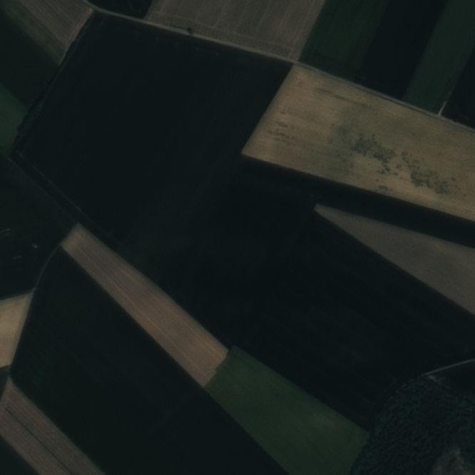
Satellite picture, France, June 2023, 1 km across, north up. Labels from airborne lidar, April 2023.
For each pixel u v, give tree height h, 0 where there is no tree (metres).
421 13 0
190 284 0
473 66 0
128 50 0
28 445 0
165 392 0
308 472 0
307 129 0
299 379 0
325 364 0
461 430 29
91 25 0
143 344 0
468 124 0
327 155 0
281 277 0
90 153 0
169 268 0
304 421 0
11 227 0
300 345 0
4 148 0
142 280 0
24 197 0
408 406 11
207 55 0
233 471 0
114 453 0
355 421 0
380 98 0
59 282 0
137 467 0
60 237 0
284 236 0
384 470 12
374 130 0
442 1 0
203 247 0
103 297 0
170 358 0
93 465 0
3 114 0
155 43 0
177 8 0
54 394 0
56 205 0
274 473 0
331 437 0
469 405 21
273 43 0
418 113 0
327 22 0
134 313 0
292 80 0
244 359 0
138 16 0
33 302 0
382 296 0
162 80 0
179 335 0
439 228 0
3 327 0
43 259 0
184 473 0
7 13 0
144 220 0
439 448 9
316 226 0
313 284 0
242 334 0
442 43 0
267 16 0
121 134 0
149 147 0
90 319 0
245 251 0
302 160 0
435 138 0
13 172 0
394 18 0
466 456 7
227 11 0
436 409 20
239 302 0
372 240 0
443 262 0
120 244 0
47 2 0
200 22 0
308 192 0
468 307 0
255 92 0
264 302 0
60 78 0
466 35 0
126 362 0
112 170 0
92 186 0
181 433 0
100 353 0
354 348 0
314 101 0
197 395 0
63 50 0
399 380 0
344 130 0
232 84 0
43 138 0
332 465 0
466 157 0
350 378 0
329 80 0
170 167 0
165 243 0
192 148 0
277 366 0
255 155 0
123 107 0
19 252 0
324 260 0
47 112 0
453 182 0
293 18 0
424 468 19
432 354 0
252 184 0
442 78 0
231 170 0
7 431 0
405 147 0
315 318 0
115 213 0
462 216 0
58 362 0
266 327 0
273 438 0
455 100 0
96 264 0
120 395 0
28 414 0
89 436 0
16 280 0
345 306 0
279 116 0
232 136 0
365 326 0
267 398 0
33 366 0
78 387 0
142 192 0
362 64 0
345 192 0
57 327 0
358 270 0
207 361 0
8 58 0
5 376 0
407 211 0
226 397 0
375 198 0
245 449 0
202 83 0
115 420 0
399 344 0
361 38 0
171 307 0
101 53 0
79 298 0
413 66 0
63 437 0
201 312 0
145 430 0
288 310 0
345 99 0
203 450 0
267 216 0
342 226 0
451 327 0
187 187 0
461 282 0
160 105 0
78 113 0
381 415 19
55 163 0
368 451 17
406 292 0
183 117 0
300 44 0
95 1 0
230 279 0
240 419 0
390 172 0
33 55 0
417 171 0
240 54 0
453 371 0
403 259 0
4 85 0
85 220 0
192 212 0
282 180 0
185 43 0
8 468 0
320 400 0
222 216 0
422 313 0
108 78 0
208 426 0
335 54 0
